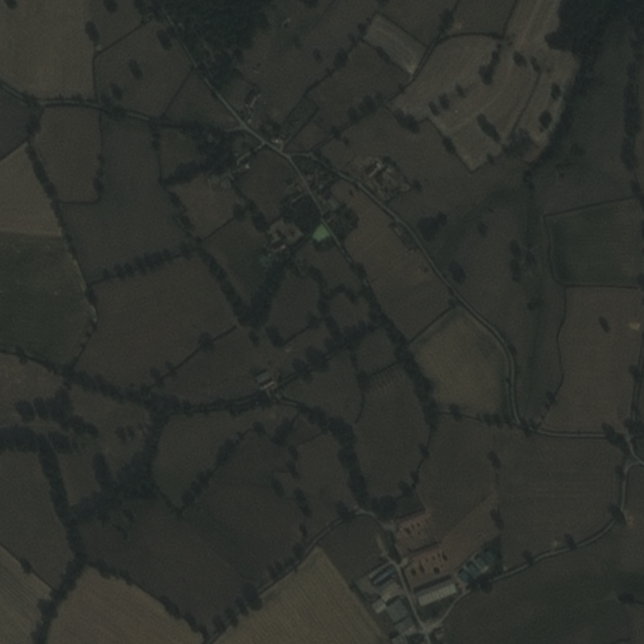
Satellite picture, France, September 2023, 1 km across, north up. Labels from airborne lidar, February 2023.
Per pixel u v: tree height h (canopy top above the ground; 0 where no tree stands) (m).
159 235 0
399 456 0
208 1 10
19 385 0
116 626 0
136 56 0
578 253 0
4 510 0
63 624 0
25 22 0
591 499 0
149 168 0
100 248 0
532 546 0
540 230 0
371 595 0
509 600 0
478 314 0
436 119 0
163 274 0
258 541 0
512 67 0
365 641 0
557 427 0
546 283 0
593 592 0
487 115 0
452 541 0
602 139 0
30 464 0
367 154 0
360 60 0
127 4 0
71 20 0
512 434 0
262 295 12
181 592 0
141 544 0
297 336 0
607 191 0
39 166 13
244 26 17
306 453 0
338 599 0
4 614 0
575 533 0
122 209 0
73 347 0
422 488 0
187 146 0
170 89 0
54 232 0
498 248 0
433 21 0
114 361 0
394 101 0
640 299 0
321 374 0
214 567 0
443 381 0
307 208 7
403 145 0
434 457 0
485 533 0
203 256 16
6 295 0
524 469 0
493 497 0
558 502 0
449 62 0
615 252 0
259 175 0
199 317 0
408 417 0
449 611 0
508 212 0
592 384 0
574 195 0
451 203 0
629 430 14
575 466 0
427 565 0
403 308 0
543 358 0
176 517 13
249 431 0
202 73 13
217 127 0
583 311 0
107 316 0
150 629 0
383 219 0
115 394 17
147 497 20
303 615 0
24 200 0
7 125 0
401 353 12
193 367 0
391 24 0
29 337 0
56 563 0
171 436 0
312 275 13
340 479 0
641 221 0
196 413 0
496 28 0
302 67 0
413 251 0
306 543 0
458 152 0
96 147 0
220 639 0
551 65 0
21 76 0
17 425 0
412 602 0
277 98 0
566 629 0
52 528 0
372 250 0
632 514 0
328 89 0
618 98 0
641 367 0
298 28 0
